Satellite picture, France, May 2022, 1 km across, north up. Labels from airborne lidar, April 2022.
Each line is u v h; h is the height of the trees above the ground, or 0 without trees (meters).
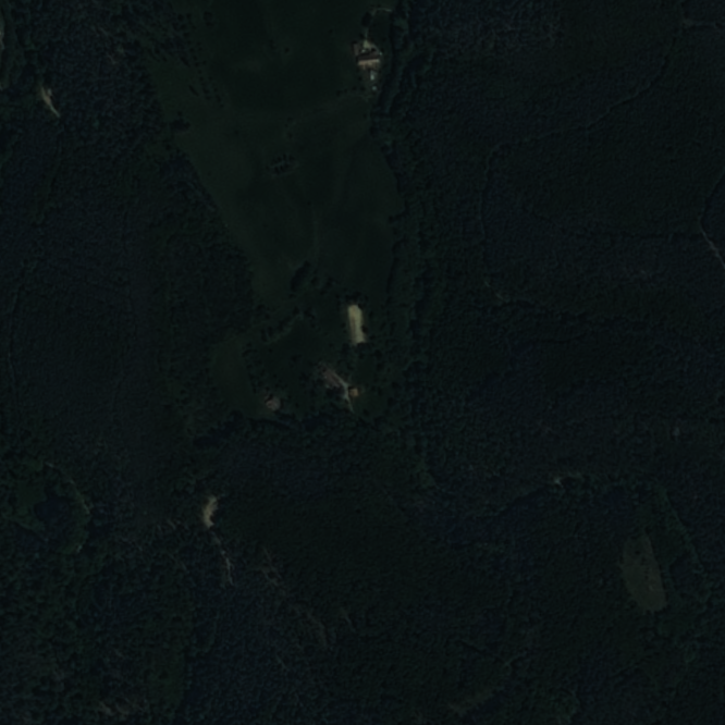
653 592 0
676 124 14
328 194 0
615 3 19
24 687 22
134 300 17
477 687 23
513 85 23
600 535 23
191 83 0
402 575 23
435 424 23
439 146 17
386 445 20
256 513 20
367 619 20
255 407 0
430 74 19
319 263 0
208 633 29
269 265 0
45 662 34
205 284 14
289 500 21
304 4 0
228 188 0
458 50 27
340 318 0
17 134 25
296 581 18
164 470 20
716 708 19
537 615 25
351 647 20
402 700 23
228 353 0
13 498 7
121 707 21
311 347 0
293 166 12
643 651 23
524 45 19
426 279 21
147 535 17
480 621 21
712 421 20
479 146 20
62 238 17
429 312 19
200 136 0
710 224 19
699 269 24
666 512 25
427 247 28
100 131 29
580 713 26
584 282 20
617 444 28
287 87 0
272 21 0
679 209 16
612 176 16
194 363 14
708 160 14
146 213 18
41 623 32
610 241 23
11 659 26
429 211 18
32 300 16
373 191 0
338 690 18
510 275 19
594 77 22
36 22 23
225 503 17
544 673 22
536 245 20
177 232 11
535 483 33
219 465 27
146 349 18
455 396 15
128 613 27
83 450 10
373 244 0
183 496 25
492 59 13
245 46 0
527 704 21
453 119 18
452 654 24
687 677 19
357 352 8
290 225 0
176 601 31
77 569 30
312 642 19
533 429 26
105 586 26
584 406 28
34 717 34
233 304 16
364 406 0
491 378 27
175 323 16
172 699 10
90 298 17
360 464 23
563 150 19
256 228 0
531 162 18
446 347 20
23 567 28
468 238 26
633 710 23
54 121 16
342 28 0
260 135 0
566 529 21
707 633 19
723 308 21
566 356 23
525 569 27
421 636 22
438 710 21
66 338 14
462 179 17
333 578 19
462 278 21
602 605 23
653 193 15
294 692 19
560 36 15
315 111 0
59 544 29
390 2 0
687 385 22
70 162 17
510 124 24
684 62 13
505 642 22
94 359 13
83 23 13
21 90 23
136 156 16
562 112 22
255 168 0
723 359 24
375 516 22
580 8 20
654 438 18
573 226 13
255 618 26
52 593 35
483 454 17
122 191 15
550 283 27
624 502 26
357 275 0
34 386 15
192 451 22
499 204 19
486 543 26
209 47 0
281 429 19
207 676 29
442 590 27
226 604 28
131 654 21
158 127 23
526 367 26
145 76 24
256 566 18
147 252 16
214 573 28
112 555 15
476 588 27
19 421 15
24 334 18
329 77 0
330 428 28
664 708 21
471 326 18
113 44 21
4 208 32
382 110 18
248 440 27
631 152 17
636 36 14
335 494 20
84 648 11
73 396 14
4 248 31
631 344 22
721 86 15
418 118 18
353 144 0
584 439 25
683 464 34
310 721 19
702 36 16
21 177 27
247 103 0
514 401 26
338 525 22
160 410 19
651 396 19
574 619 21
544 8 28
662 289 16
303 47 0
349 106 0
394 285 15
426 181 15
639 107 16
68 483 25
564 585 21
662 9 13
